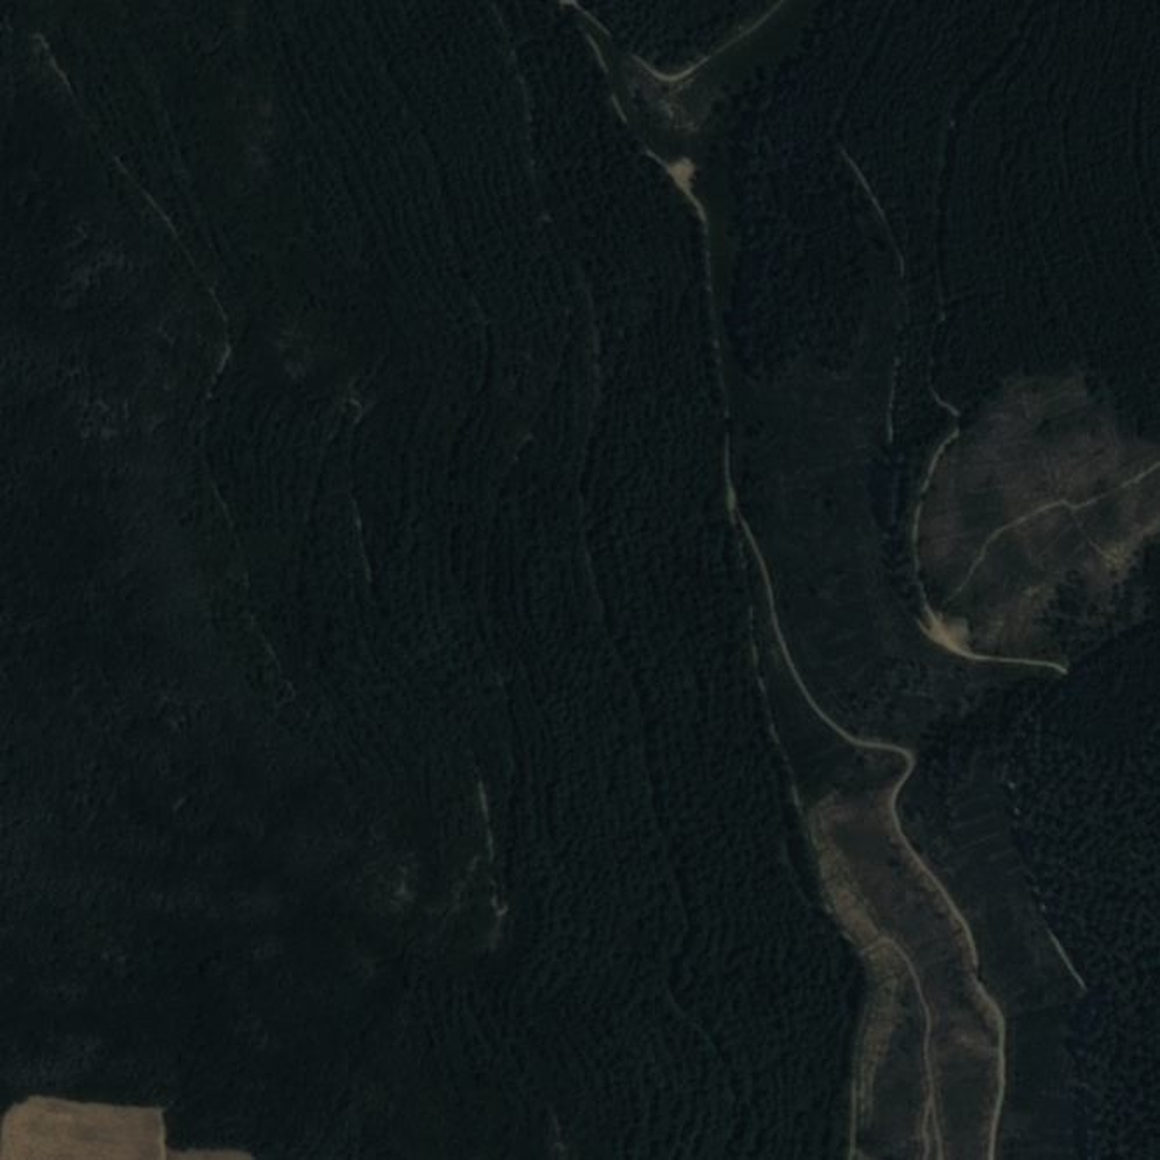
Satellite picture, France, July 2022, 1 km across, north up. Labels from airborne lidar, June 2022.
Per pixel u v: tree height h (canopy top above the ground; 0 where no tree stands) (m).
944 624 0
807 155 24
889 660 0
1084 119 15
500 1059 10
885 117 15
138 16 8
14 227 16
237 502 13
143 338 12
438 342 11
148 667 17
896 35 16
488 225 24
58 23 7
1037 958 0
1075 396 0
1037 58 20
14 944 16
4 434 17
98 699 15
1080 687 20
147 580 16
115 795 11
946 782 24
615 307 14
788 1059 36
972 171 18
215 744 17
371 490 13
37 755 15
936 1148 0
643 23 31
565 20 10
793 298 28
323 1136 12
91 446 12
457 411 20
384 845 9
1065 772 35
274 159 10
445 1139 13
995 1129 0
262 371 9
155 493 11
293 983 14
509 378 19
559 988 22
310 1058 13
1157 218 17
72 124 12
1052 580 0
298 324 6
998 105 11
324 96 17
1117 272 20
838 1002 30
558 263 14
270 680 7
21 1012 18
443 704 10
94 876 16
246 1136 9
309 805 18
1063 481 0
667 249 23
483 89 21
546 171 17
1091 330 20
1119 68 16
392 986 15
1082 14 21
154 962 17
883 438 6
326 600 11
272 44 14
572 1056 11
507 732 12
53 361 13
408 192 17
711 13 14
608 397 16
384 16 21
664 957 26
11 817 19
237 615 14
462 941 9
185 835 17
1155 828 32
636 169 19
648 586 21
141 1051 17
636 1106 20
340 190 16
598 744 34
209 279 9
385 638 13
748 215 15
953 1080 0
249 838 18
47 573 15
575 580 21
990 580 0
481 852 6
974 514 0
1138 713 25
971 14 18
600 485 25
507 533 15
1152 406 16
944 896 0
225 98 7
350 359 8
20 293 10
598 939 28
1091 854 32
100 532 16
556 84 17
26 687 16
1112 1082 33
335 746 10
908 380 14
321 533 20
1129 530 0
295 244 8
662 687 32
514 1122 12
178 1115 10
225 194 11
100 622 15
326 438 11
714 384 37
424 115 22
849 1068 37
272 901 16
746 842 34
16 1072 16
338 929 19
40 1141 0
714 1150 7
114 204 11
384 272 22
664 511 27
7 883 17
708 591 30
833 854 0
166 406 12
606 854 33
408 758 10
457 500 13
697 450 35
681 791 31
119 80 7
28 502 17
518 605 21
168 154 7
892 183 20
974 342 21
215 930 18
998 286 19
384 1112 10
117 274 9
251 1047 17
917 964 0
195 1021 12
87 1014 18
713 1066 32
